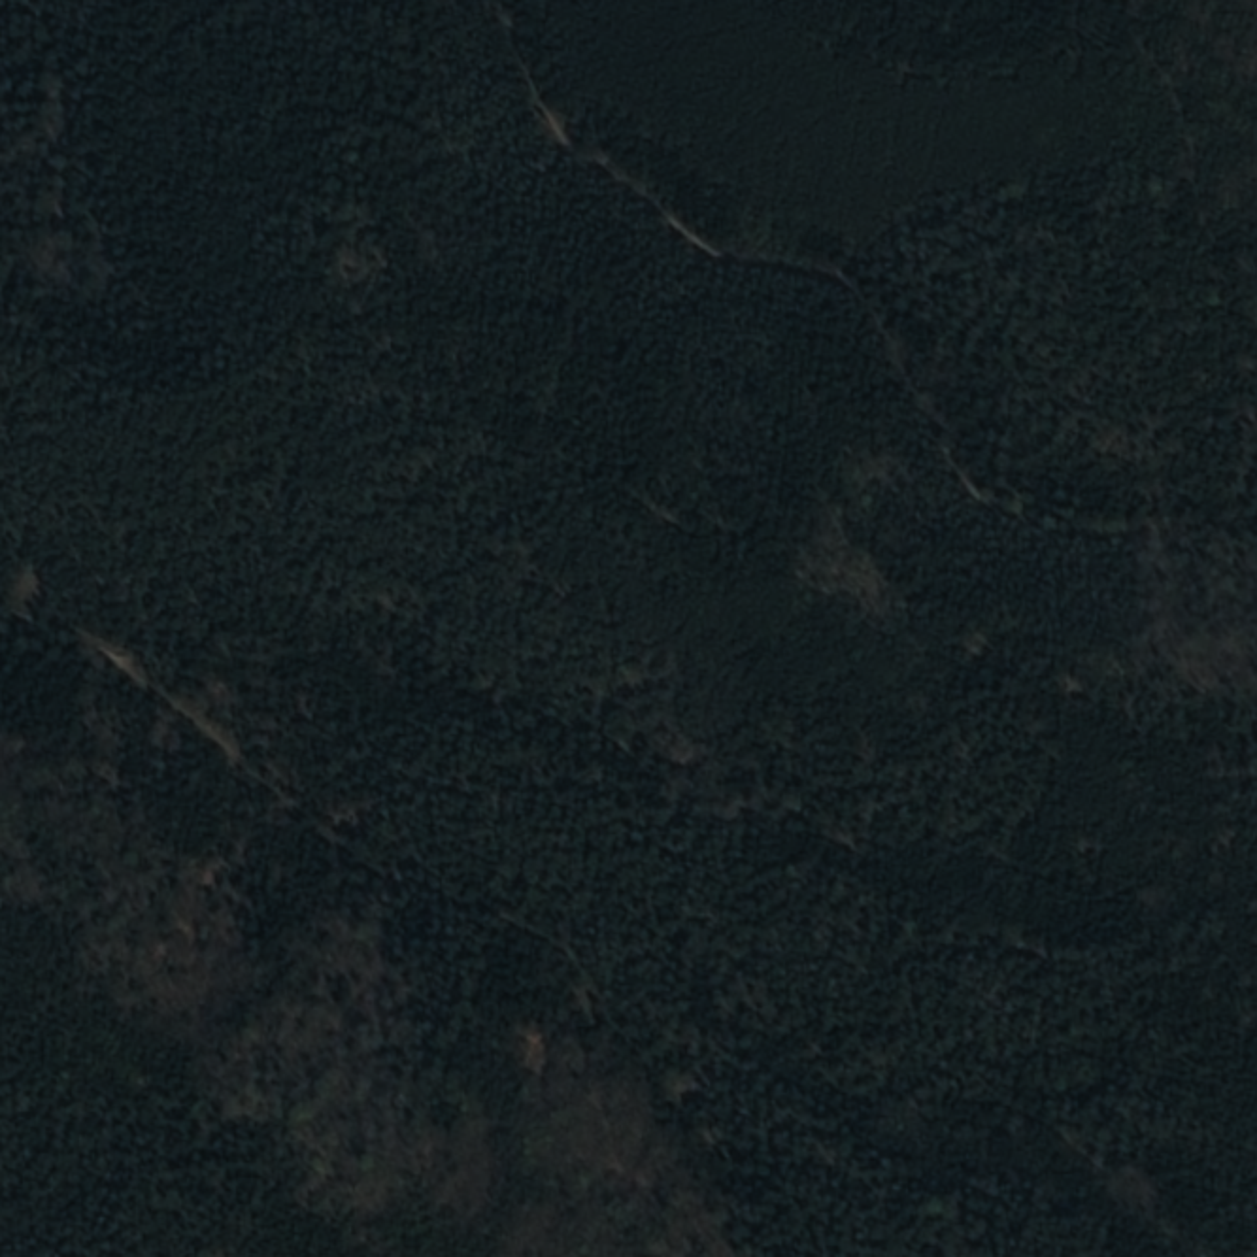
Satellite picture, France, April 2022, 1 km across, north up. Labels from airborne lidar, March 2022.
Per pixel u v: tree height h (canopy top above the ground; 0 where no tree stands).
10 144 34
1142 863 14
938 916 16
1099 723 12
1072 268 11
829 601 16
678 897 28
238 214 16
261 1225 24
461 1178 21
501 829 14
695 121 16
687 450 26
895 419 28
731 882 33
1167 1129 28
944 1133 21
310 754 7
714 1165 13
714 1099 28
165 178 18
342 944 18
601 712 31
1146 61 15
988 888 18
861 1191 14
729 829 23
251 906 12
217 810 11
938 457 32
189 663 10
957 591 26
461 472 22
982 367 12
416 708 20
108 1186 13
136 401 26
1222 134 13
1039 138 15
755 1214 36
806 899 28
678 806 11
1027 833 13
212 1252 14
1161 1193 16
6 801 16
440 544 26
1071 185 16
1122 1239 18
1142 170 15
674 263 32
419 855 30
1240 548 31
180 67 20
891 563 21
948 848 18
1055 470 12
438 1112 15
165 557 23
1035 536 24
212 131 21
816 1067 20
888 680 17
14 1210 28
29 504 18
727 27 17
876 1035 7
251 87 24
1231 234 11
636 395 25
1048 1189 15
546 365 22
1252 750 15
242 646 32
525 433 21
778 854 23
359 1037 18
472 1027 15
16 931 15
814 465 19
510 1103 15
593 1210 19
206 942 8
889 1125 21
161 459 29
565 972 20
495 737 18
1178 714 12
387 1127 33
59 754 13
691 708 25
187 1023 16
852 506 19
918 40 18
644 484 25
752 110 16
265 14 16
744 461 25
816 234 16
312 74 26
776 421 23
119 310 24
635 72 17
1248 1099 8
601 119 16
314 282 13
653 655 21
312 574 28
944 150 13
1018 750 23
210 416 26
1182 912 13
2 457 15
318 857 11
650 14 16
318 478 22
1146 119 15
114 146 26
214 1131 15
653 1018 27
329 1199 13
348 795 9
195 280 18
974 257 24
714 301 20
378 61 26
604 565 14
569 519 19
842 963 15
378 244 13
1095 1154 9
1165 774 12
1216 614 18
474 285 23
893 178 14
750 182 18
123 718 8
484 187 27
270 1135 7
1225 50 12
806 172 18
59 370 10
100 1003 11
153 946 10
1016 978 22
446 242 28
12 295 16
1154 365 11
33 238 29
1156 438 26
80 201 27
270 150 17
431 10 34
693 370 30
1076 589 27
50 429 29
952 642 21
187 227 16
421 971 38
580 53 16
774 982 28
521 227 25
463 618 25
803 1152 29
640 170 14
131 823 19
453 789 25
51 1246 9
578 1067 19
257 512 31
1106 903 16
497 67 31
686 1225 22
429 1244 11
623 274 31
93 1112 6
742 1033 12
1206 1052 7
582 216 26
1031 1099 21
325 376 24
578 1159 24
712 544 18
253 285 19
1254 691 15
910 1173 29
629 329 30
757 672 18
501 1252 10
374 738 17
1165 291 10
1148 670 15
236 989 12
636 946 28
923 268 10
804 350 23
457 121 32
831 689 17
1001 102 14
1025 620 18
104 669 16
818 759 17
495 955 17
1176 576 22
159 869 11
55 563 5
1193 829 13
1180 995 15
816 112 15
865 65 17
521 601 14
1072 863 11
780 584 19
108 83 29
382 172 24
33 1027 7
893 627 17
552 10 13
